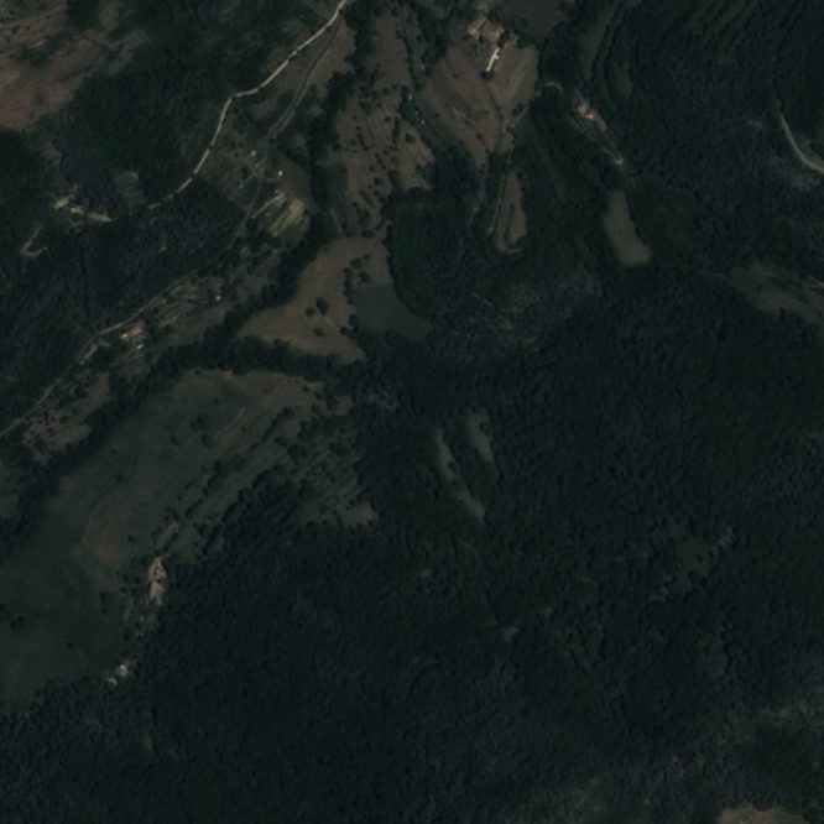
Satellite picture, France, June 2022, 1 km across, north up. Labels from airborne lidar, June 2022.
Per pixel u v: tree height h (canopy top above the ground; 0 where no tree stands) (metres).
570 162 8
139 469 0
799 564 15
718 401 24
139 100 16
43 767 22
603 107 10
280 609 17
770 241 22
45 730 21
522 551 9
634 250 0
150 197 14
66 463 23
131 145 12
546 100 16
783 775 21
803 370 27
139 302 7
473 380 16
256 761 23
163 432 0
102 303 13
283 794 24
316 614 19
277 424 15
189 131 12
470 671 21
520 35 10
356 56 16
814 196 9
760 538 17
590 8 25
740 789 16
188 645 13
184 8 9
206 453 0
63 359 16
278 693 23
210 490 9
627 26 10
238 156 8
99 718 11
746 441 23
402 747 21
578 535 15
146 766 16
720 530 16
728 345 33
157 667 12
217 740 15
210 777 21
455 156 7
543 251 6
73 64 0
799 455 14
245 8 12
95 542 0
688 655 19
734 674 18
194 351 25
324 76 0
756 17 11
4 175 9
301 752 26
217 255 13
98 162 13
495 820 9
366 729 23
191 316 6
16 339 17
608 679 14
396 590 17
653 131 10
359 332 18
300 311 0
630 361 14
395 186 10
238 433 0
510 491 9
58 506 0
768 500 20
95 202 15
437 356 17
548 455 13
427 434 15
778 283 7
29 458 14
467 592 13
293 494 16
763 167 8
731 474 15
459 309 7
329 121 9
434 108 0
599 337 16
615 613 19
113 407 14
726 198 19
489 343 15
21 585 0
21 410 12
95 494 0
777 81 12
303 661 18
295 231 0
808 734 9
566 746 18
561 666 18
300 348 0
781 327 24
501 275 13
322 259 0
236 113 10
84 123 9
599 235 15
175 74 12
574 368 18
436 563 10
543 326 14
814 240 10
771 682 12
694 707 11
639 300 15
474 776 12
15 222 14
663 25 14
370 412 14
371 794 24
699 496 17
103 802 18
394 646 20
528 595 14
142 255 18
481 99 0
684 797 14
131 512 0
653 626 23
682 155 21
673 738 16
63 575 0
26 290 15
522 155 16
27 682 0
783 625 15
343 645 15
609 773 11
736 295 17
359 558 19
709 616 22
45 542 0
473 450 15
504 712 17
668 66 15
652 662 16
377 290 0
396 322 0
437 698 16
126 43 0
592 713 19
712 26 11
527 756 19
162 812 24
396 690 16
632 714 23
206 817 30
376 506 12
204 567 9
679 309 20
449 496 17
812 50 8
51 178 12
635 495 11
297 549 19
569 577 12
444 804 17
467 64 0
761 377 26
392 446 15
